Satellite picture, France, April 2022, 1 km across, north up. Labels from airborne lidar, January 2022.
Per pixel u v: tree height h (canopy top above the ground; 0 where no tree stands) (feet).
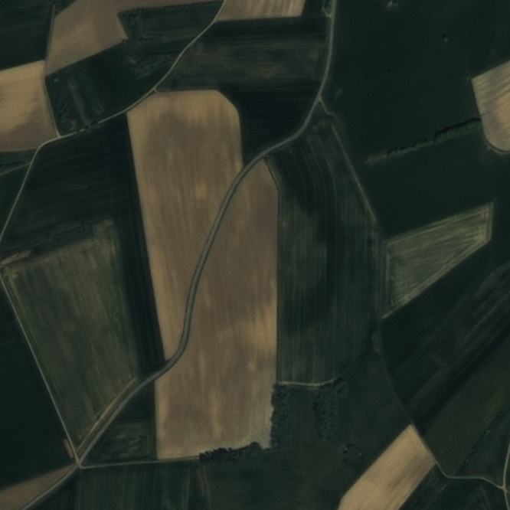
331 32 0
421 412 0
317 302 0
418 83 0
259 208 0
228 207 0
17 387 0
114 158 0
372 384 0
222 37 0
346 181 0
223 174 0
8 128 0
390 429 0
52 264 0
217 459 59
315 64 0
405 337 0
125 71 0
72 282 0
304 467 0
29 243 0
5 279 0
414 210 0
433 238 0
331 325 0
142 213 0
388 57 0
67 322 0
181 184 0
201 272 0
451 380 0
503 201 0
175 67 0
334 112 0
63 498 0
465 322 0
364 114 0
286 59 0
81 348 0
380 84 0
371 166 0
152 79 0
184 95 0
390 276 0
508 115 0
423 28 0
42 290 0
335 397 57
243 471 0
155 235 0
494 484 0
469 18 0
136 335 0
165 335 0
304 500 0
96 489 0
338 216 0
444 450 0
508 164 0
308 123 0
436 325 0
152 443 0
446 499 0
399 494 0
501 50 0
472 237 0
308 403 0
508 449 0
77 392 0
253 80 0
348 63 0
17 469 0
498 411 0
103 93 0
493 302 0
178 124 0
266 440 0
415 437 0
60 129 0
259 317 0
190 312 0
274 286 0
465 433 0
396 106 0
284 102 0
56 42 0
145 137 0
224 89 0
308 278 0
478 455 0
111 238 0
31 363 0
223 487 0
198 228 0
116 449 0
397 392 0
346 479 0
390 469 0
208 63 0
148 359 0
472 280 0
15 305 0
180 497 0
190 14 0
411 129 0
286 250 0
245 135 0
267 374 0
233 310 0
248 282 0
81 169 0
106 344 0
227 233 0
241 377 0
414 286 0
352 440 0
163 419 0
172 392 0
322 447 0
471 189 0
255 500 0
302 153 0
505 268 0
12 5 0
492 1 0
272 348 0
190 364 0
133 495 0
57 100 18
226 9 0
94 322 0
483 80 0
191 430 0
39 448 0
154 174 0
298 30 0
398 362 0
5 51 0
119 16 0
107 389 0
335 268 0
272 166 0
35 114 0
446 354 0
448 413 0
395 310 0
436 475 0
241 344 0
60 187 0
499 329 0
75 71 0
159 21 0
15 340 0
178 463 0
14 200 0
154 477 0
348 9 0
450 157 0
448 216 0
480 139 0
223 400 0
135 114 0
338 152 0
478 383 0
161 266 0
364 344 0
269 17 0
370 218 0
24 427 0
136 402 0
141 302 0
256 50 0
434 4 0
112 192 0
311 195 0
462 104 0
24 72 0
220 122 0
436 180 0
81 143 0
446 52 0
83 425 0
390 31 0
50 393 0
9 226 0
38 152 0
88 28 0
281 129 0
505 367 0
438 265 0
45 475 0
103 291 0
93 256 0
